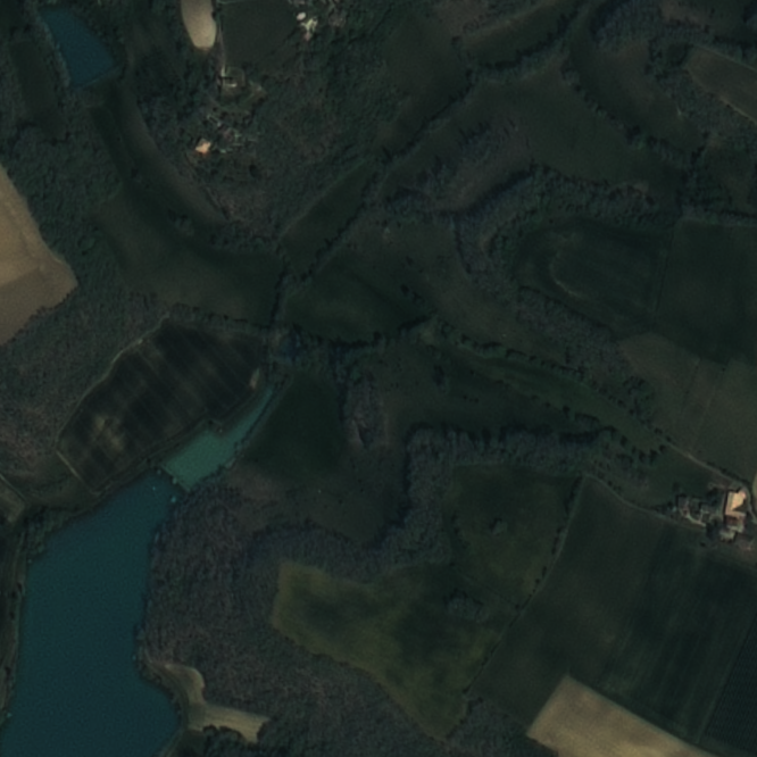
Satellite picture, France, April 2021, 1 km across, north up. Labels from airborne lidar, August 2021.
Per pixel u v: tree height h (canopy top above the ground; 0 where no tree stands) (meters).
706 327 0
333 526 0
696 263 0
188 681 0
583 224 0
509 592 0
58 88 8
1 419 12
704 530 0
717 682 0
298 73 9
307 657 12
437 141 0
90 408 0
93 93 24
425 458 19
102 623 0
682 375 0
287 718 14
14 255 0
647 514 0
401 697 0
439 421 0
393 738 12
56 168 27
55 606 0
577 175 0
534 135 0
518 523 0
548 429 0
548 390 0
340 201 0
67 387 19
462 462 14
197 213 0
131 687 0
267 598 13
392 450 0
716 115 11
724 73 0
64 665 0
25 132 24
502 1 22
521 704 0
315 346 12
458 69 0
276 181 15
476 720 17
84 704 0
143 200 0
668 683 0
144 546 0
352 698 8
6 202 0
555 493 0
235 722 0
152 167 0
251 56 0
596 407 0
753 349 0
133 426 0
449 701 0
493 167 0
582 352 19
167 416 0
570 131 0
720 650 0
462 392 0
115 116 0
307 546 17
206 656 8
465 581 0
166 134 29
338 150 22
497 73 18
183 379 0
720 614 0
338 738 16
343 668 12
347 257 0
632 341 0
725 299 0
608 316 0
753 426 0
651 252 0
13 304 0
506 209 20
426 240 0
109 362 15
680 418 0
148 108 11
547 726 0
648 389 10
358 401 19
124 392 0
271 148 18
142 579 0
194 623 7
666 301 0
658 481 0
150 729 0
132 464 0
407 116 0
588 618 0
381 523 0
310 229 0
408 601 0
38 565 0
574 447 21
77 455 0
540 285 0
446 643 0
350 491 0
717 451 0
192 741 0
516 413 0
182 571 16
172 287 0
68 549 0
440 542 17
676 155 19
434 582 0
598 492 0
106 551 0
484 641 0
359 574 15
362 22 16
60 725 0
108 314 12
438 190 9
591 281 0
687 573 0
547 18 0
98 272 16
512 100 0
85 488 0
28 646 0
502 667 0
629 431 0
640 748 0
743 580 0
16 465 14
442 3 19
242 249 10
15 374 12
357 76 19
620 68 0
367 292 0
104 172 17
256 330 12
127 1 15
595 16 0
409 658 0
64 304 7
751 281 0
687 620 0
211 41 0
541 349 0
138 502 0
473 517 0
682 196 13
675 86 20
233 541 7
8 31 0
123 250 0
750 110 0
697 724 0
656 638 0
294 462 0
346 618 0
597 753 0
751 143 14
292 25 0
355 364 27
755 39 0
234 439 0
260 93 0
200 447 0
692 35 15
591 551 0
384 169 16
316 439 0
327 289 0
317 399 0
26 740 0
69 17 0
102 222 0
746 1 0
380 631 0
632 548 0
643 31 20
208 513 7
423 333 8
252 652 9
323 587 0
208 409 0
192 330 0
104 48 0
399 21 10
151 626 15
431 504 15
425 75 0
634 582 0
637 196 14
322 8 10
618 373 14
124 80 8
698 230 0
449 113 8
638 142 17
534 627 0
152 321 23
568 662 0
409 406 0
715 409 0
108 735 0
